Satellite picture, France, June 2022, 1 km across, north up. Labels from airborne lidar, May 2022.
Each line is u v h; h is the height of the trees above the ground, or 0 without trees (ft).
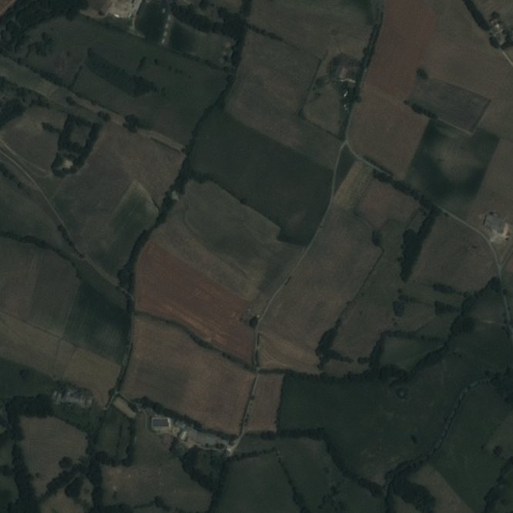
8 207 0
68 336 0
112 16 0
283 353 0
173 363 0
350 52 0
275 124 0
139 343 0
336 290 0
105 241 0
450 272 0
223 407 0
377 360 44
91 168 0
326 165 0
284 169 0
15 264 0
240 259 0
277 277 0
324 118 0
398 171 0
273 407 0
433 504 49
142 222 0
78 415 19
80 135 0
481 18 49
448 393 0
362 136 0
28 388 0
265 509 0
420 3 0
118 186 0
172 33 0
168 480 0
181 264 0
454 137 0
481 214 0
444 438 32
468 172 0
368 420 0
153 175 0
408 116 0
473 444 0
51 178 0
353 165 0
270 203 0
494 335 0
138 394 0
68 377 0
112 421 0
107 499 0
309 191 0
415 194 50
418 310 0
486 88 0
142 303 0
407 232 37
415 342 0
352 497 0
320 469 0
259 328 0
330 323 0
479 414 0
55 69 0
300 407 0
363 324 0
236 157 0
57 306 0
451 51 0
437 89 0
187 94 0
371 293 0
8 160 0
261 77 0
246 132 0
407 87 0
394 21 0
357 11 0
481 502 0
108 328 0
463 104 0
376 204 0
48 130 33
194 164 0
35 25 35
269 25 0
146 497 0
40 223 0
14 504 57
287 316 0
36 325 0
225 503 0
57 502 0
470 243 0
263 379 0
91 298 0
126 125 33
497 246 0
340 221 0
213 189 0
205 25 47
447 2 0
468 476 0
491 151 0
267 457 0
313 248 0
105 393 0
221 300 0
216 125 0
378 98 0
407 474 41
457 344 0
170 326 0
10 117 31
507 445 0
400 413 0
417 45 0
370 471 0
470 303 42
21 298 0
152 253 0
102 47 0
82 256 35
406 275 40
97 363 0
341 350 0
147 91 41
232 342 0
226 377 0
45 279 0
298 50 0
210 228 0
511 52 0
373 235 17
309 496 0
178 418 43
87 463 58
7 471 56
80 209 0
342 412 0
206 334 0
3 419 46
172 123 0
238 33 57
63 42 0
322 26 0
